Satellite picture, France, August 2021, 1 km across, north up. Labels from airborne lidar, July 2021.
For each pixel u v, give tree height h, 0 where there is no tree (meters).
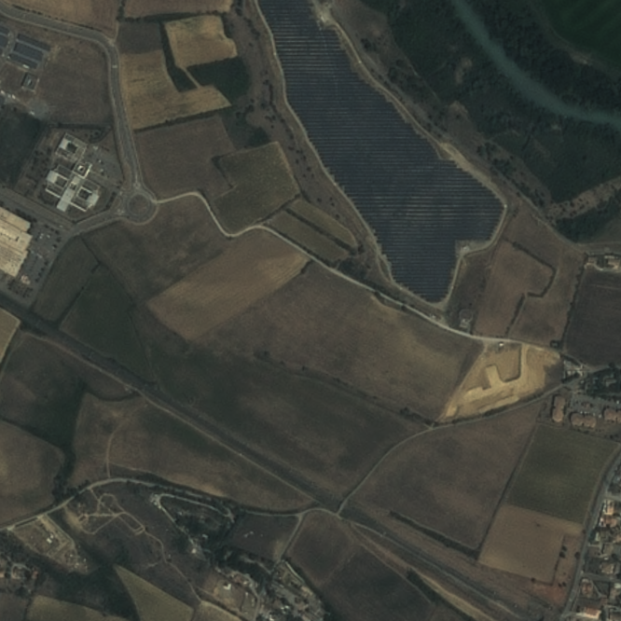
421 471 0
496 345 0
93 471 0
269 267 0
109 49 0
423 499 0
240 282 0
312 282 0
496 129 7
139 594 0
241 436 0
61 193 0
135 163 0
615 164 7
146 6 0
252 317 0
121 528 0
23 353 0
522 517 0
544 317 0
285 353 0
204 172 0
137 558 0
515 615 0
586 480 0
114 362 8
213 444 0
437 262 0
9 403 0
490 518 0
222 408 0
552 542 0
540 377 0
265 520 0
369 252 0
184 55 0
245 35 0
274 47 0
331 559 0
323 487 0
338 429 0
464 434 0
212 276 0
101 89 0
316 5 0
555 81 24
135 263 0
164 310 0
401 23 12
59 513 0
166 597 0
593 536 6
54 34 0
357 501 0
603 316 0
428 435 0
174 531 6
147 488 5
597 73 12
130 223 0
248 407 0
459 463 0
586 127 16
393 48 0
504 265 0
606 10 0
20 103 0
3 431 0
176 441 0
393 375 0
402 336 0
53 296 0
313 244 0
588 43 0
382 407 0
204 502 11
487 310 0
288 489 0
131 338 0
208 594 0
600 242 0
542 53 10
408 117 0
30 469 0
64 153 0
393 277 0
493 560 0
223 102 0
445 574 0
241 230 0
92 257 0
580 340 0
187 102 0
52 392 0
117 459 0
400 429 0
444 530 0
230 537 8
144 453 0
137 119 0
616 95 24
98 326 0
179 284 0
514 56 22
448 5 15
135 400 0
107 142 0
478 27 0
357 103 0
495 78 12
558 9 0
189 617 0
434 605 0
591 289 0
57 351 0
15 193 0
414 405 0
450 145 0
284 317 0
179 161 0
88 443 0
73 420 0
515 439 0
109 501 0
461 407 0
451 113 0
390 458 0
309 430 0
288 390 0
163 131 0
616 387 10
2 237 0
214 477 0
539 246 0
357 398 0
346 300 0
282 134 0
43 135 0
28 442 0
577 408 0
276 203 0
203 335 0
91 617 0
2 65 0
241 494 0
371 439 0
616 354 0
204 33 0
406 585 0
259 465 0
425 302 0
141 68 0
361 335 0
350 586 0
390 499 0
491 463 0
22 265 7
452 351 0
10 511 0
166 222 0
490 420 0
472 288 0
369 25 0
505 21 14
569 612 0
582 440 0
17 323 0
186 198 0
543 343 0
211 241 0
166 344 0
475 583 0
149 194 0
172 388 0
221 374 0
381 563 0
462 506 0
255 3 0
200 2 0
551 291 0
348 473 0
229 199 0
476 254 0
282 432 0
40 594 0
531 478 0
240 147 0
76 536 0
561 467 0
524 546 0
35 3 0
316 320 0
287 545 0
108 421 0
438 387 0
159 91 0
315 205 0
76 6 0
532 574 0
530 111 13
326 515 0
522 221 0
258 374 0
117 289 0
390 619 0
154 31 0
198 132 0
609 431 0
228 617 0
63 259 0
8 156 0
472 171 0
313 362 0
